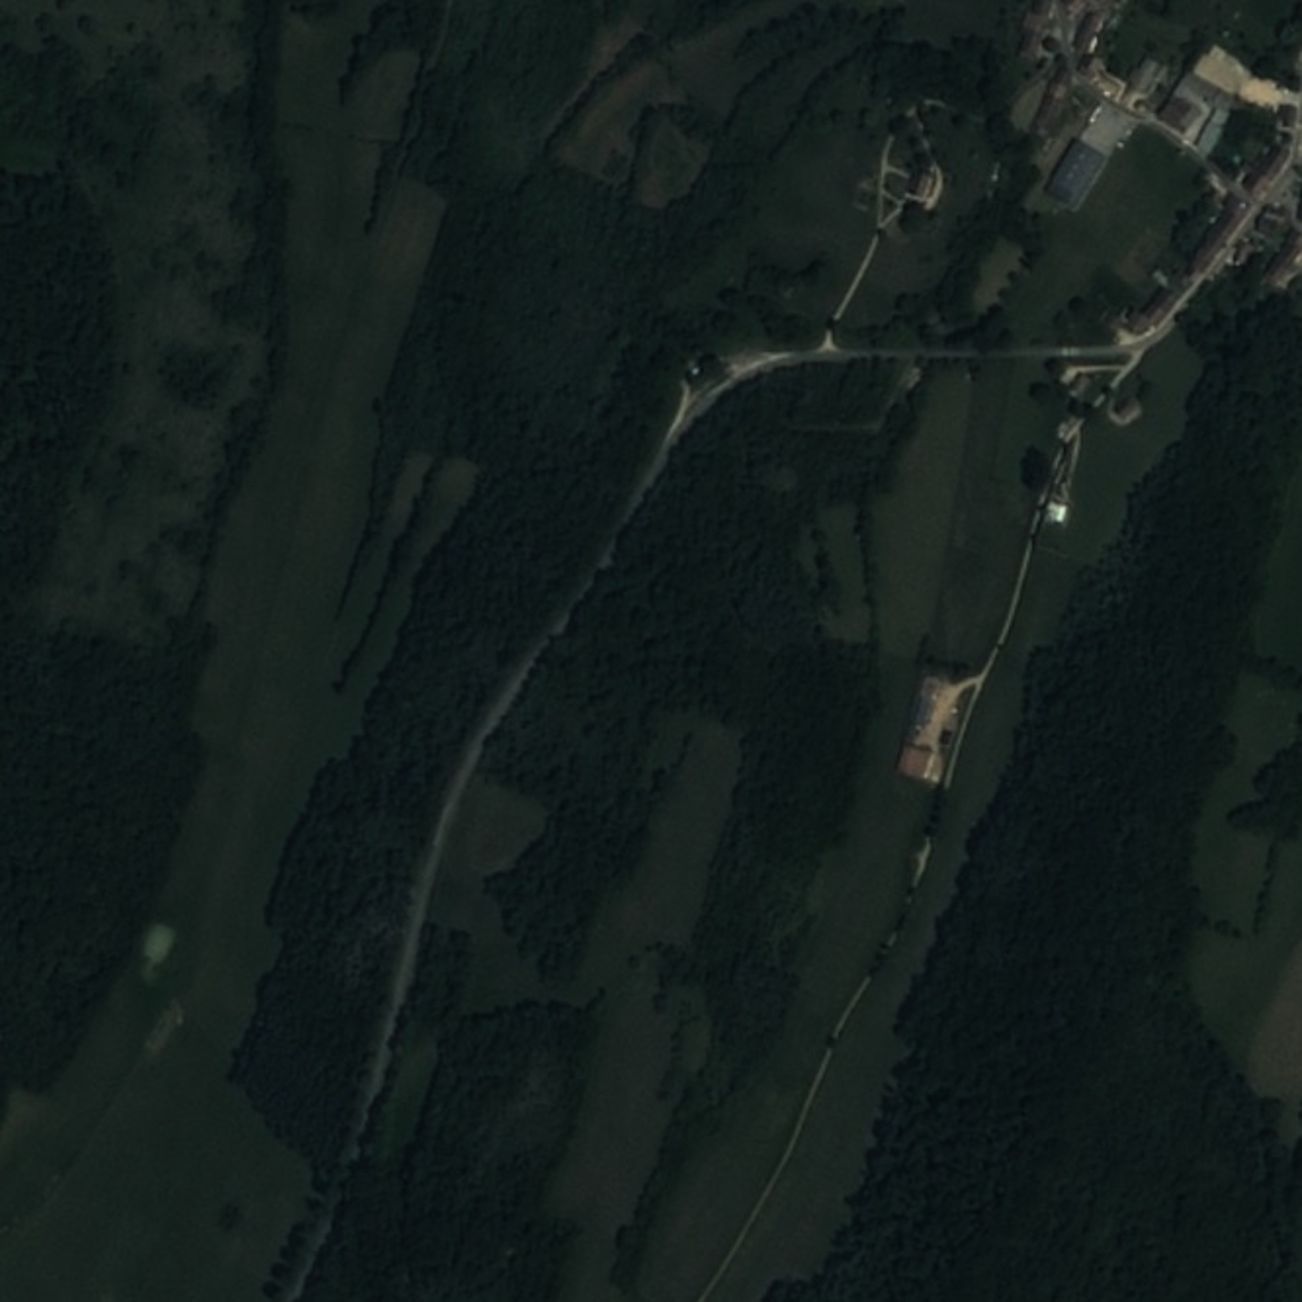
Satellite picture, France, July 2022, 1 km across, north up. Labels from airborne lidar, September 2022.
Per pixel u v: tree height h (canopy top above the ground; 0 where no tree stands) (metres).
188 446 0
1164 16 6
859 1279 14
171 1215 0
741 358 0
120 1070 0
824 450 7
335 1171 23
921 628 0
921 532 0
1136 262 0
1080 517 0
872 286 0
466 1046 17
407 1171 11
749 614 20
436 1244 15
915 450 0
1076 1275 11
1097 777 16
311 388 0
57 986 13
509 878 10
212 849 0
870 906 0
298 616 0
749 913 13
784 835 7
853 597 0
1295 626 0
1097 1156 9
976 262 11
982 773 0
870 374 9
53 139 11
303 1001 11
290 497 0
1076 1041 18
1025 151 15
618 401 10
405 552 18
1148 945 8
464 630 14
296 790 0
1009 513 0
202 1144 0
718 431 8
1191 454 10
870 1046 0
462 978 18
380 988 15
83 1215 0
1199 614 14
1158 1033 8
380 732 17
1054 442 0
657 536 15
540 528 21
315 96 0
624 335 8
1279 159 0
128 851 13
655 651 18
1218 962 0
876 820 0
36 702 15
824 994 0
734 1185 0
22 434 10
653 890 0
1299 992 0
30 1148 0
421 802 19
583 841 18
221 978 0
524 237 12
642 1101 0
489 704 10
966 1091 22
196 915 0
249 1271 0
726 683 15
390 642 0
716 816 0
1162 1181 9
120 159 12
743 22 0
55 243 18
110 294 6
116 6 0
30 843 19
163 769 16
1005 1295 11
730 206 8
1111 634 13
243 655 0
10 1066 16
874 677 8
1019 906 18
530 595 20
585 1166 0
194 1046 0
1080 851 20
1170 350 0
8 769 16
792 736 6
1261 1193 16
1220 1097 19
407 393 6
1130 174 0
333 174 0
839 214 0
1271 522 13
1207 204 5
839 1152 0
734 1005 13
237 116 10
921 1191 20
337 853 21
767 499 10
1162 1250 11
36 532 9
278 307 11
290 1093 23
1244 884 0
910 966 0
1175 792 15
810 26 23
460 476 0
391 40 15
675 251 12
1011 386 0
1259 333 23
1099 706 15
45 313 16
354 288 0
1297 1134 0
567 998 0
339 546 0
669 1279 0
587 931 13
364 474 0
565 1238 12
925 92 13
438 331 9
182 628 9
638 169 6
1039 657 13
